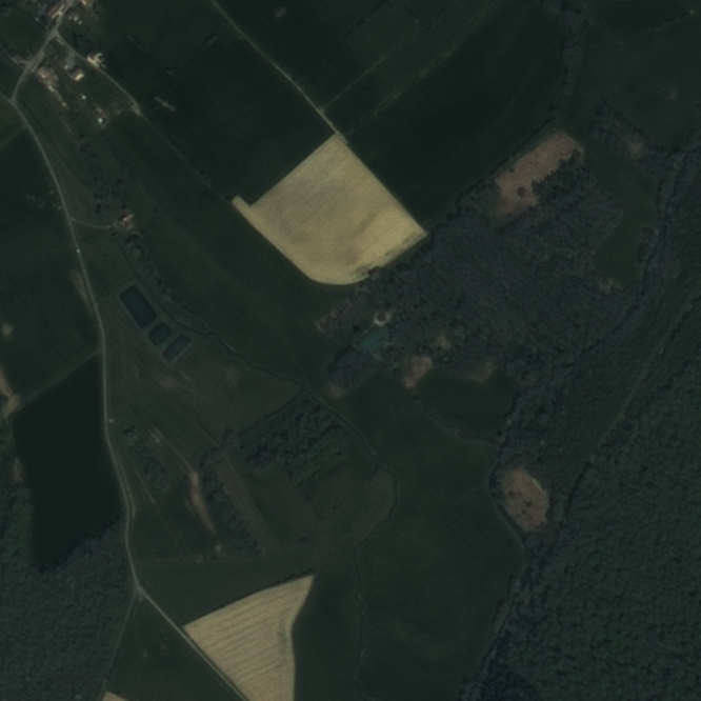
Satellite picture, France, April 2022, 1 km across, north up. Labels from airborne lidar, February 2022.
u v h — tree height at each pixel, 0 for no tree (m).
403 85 0
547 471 17
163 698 0
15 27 0
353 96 0
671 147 0
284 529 0
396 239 0
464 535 0
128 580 19
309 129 0
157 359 0
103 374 0
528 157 0
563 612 23
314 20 0
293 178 0
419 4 0
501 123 0
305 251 0
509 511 0
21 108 0
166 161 0
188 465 0
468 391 0
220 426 0
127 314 0
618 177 0
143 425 0
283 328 0
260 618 0
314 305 0
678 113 0
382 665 0
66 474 0
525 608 23
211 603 0
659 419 20
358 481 0
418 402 13
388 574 0
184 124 0
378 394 0
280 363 0
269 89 0
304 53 0
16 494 16
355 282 0
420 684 0
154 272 10
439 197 0
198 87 0
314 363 0
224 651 0
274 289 0
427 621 0
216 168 0
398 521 0
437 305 21
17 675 24
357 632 0
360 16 0
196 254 0
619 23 0
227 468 0
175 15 0
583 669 24
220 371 0
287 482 0
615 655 23
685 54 0
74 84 0
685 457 24
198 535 0
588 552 22
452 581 0
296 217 0
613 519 26
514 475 0
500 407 0
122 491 0
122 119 0
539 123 0
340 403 0
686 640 22
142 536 0
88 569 21
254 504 0
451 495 0
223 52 0
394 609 0
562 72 0
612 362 15
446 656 0
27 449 0
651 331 12
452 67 0
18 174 0
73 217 0
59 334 0
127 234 0
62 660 24
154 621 0
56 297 0
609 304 27
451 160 0
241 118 0
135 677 0
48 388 0
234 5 0
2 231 0
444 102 0
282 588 0
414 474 0
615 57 0
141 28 0
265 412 0
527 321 28
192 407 0
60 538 0
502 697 25
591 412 14
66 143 0
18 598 21
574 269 22
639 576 24
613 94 0
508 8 0
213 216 0
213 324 0
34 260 0
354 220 0
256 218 0
